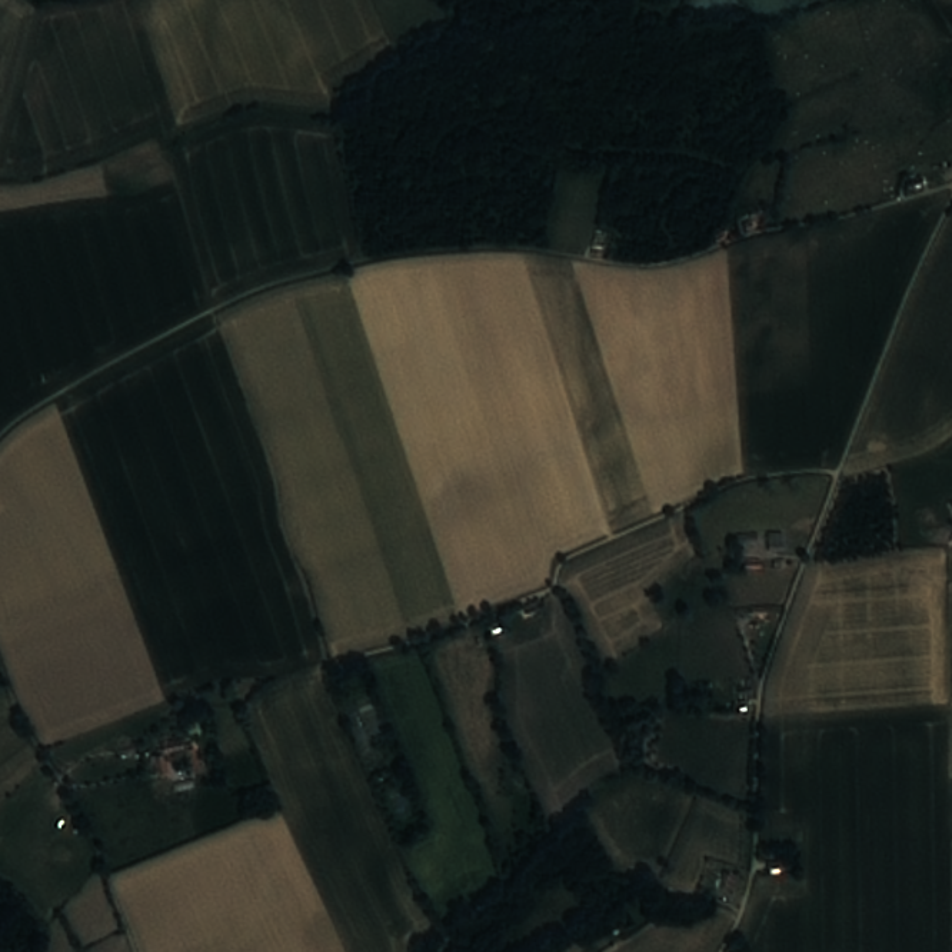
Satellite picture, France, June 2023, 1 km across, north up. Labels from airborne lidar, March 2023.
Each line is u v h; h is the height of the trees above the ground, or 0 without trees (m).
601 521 0
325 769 0
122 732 0
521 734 0
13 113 0
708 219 8
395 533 0
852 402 0
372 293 0
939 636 0
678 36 13
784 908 0
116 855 0
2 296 0
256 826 0
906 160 0
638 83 6
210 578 0
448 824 0
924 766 0
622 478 0
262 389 0
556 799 0
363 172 12
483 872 0
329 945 0
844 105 0
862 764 0
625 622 0
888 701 0
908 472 0
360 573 0
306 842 0
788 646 0
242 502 0
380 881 0
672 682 20
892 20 0
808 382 0
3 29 0
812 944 0
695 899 14
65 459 0
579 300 0
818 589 0
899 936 0
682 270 0
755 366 0
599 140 12
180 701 10
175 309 0
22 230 0
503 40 25
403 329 0
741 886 0
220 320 0
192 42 0
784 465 0
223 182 0
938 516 0
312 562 0
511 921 20
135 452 0
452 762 0
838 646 0
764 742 8
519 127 24
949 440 0
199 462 0
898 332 0
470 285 0
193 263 0
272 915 0
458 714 0
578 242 0
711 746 0
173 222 0
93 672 0
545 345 0
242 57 0
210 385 0
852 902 0
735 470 0
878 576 0
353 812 0
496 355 0
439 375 0
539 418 0
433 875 0
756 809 20
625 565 0
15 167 0
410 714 0
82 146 0
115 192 0
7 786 0
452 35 20
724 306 0
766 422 0
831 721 0
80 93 0
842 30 0
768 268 0
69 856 0
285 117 0
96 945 0
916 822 0
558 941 23
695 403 0
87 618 0
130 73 0
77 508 0
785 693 0
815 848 0
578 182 0
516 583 0
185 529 0
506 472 0
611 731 7
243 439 0
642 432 0
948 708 0
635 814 0
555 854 28
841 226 0
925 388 0
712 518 0
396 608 0
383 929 0
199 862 0
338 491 0
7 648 0
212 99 0
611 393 0
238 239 0
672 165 11
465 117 13
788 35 0
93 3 0
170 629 0
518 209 9
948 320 0
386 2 0
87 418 0
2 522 0
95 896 0
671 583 0
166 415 0
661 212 10
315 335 0
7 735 0
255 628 0
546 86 15
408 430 0
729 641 0
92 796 0
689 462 0
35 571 0
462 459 0
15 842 0
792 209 0
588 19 19
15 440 0
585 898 21
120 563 0
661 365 0
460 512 0
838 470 0
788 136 0
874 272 0
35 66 0
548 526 0
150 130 0
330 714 0
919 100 0
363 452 0
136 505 0
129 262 0
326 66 0
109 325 0
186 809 0
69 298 0
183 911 0
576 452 0
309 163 0
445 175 12
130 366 0
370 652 0
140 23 0
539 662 0
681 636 0
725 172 11
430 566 0
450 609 0
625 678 0
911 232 0
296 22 0
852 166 0
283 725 0
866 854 0
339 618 0
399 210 11
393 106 21
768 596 0
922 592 0
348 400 0
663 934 0
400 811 0
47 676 0
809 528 0
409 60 22
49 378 0
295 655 0
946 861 0
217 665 0
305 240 0
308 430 0
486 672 0
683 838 0
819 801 0
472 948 25
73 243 0
